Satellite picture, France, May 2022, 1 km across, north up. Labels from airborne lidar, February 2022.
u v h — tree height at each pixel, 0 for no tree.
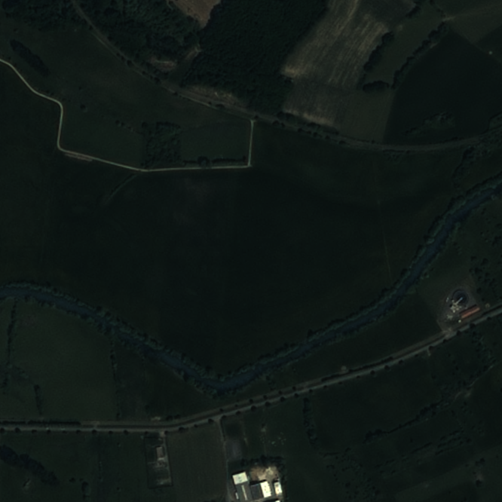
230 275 0
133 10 7
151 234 0
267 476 0
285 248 0
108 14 17
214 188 0
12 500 0
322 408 0
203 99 0
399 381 0
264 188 0
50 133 0
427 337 0
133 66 13
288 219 0
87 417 0
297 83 0
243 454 0
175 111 0
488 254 0
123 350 0
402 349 0
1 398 0
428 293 0
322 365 0
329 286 0
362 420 0
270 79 20
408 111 0
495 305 0
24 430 0
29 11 15
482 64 0
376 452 0
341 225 0
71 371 0
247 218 0
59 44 0
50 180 0
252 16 17
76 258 0
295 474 0
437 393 0
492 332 0
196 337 0
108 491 0
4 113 0
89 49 0
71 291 0
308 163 0
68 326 0
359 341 0
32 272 0
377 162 0
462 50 0
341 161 0
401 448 0
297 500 0
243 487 0
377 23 0
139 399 0
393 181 0
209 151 0
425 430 0
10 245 0
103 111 0
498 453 0
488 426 0
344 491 0
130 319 0
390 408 0
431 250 0
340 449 0
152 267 0
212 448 0
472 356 0
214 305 0
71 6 19
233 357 0
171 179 0
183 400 0
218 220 0
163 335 0
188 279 0
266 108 6
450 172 0
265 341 0
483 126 0
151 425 0
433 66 0
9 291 0
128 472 0
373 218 0
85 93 0
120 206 0
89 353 0
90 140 0
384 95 0
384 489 0
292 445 0
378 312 0
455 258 0
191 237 0
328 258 0
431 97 0
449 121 6
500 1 0
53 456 0
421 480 0
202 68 18
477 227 0
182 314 0
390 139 0
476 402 0
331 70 0
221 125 0
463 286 0
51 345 0
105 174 0
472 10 0
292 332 0
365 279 0
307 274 0
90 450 0
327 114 0
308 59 0
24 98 0
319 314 0
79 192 0
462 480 0
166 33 8
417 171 0
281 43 16
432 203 0
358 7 0
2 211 0
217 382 0
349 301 0
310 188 0
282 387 0
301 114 0
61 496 0
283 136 0
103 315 10
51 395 0
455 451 0
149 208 0
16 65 9
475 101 0
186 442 0
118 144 0
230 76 23
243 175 0
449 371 0
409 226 0
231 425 0
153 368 0
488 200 9
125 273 0
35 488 0
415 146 0
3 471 0
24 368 0
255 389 0
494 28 0
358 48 0
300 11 18
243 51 19
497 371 0
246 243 0
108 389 0
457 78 0
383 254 0
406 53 0
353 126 0
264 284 0
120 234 0
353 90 0
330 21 0
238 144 0
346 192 0
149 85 0
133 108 0
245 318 0
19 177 0
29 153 0
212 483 0
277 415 0
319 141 0
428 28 0
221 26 19
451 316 0
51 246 0
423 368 0
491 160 0
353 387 0
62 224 0
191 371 0
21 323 0
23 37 0
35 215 0
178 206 0
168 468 0
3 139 0
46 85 0
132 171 0
